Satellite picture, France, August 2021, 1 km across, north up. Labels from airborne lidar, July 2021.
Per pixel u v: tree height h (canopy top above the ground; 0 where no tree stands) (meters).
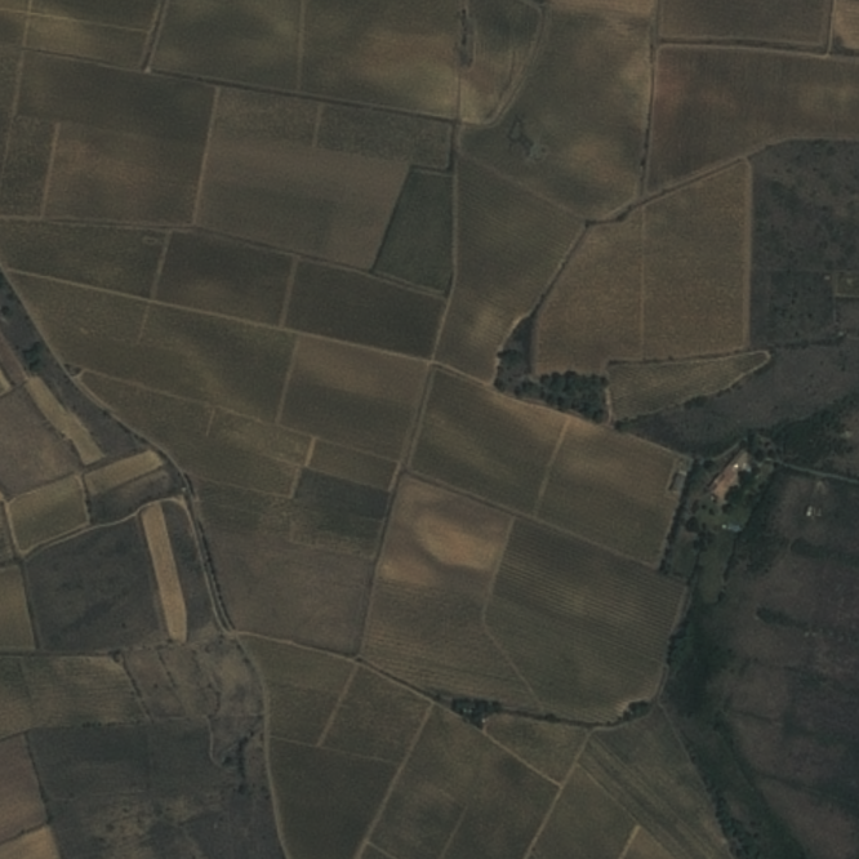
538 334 0
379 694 0
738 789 0
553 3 0
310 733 0
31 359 11
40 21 0
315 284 0
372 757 0
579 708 0
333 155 0
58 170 0
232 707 0
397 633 0
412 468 0
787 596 0
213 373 0
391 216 0
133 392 0
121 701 0
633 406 0
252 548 0
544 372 0
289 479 0
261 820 0
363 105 0
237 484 0
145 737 0
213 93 0
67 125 0
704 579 0
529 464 0
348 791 0
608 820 0
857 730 0
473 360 0
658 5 0
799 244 0
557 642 0
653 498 0
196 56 0
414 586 0
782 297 0
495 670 0
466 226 0
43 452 0
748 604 0
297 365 0
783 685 0
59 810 0
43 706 0
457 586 0
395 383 0
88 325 0
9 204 0
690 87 0
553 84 0
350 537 0
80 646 0
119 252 0
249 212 0
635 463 0
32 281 0
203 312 0
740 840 14
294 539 0
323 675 0
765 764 0
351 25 0
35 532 0
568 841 0
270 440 0
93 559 0
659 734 0
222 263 0
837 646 0
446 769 0
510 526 0
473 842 0
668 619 0
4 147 0
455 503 0
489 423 0
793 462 6
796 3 0
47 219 0
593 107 0
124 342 0
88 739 0
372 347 0
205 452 0
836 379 0
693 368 0
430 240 0
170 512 0
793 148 0
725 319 0
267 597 0
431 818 0
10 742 0
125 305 0
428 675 0
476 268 0
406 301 0
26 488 0
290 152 0
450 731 0
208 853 0
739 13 0
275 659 0
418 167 0
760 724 0
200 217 0
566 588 0
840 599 0
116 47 0
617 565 0
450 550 0
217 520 0
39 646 0
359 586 0
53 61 0
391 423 0
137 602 0
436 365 0
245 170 0
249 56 0
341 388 0
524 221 0
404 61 0
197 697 0
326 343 0
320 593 0
